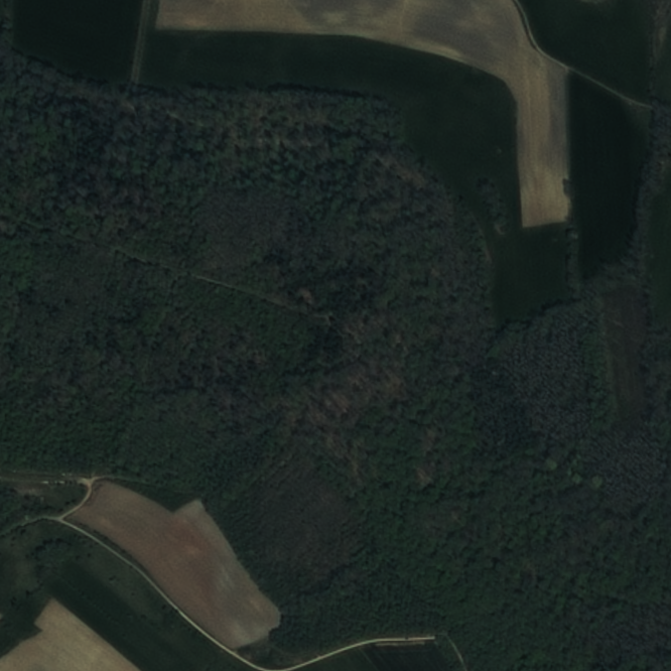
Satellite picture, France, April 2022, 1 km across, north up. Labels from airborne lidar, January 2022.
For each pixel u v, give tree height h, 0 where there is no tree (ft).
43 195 27
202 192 74
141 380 73
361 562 46
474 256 18
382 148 31
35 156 71
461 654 44
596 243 0
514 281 0
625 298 0
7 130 91
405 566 72
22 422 40
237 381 57
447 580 82
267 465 79
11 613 0
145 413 84
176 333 52
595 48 0
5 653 0
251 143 79
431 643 0
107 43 0
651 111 0
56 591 0
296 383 90
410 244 92
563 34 0
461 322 113
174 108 90
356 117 99
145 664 0
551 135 0
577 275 52
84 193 108
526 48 0
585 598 30
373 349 77
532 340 90
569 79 0
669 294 0
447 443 84
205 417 89
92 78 0
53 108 46
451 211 113
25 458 53
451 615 53
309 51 0
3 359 46
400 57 0
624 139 0
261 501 22
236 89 0
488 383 93
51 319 36
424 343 107
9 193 37
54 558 58
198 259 48
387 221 88
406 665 0
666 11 0
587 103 0
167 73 0
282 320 26
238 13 0
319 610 67
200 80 0
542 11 0
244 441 87
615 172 0
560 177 0
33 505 73
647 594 78
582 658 78
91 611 0
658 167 84
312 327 31
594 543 97
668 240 0
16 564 0
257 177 65
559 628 78
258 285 41
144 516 0
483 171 0
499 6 0
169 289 34
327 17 0
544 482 46
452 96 0
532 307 0
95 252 42
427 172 68
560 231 0
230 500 39
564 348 82
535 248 0
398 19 0
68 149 51
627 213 0
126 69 0
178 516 0
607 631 82
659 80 0
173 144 100
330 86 0
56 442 17
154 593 0
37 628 0
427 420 80
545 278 0
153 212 60
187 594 0
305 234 91
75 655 0
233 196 84
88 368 48
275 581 23
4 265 70
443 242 105
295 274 79
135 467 75
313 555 47
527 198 0
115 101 102
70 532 0
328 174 93
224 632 0
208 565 0
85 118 55
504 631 69
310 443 77
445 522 92
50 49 0
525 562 85
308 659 0
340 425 102
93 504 0
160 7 0
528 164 0
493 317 84
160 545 0
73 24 0
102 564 0
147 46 0
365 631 37
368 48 0
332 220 93
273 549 44
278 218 78
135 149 62
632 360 0
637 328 0
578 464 90
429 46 0
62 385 72
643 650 82
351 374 96
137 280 35
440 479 83
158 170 69
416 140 0
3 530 53
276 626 0
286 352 41
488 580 75
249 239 75
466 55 0
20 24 0
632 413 0
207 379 38
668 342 35
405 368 84
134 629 0
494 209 57
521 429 90
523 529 84
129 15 0
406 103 0
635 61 0
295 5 0
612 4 0
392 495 83
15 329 38
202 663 0
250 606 0
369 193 99
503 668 66
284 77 0
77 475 39
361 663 0
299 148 94
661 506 71
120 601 0
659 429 94
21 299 68
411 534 84
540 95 0
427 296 95
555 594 77
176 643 0
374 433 93
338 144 80
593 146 0
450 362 106
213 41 0
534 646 83
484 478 82
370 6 0
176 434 88
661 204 0
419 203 81
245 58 0
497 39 0
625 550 93
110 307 39
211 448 80
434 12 0
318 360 36
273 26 0
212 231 65
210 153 74
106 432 20
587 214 0
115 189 73
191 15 0
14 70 81
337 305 42
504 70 0
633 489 84
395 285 80
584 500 90
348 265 60
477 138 0
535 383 79
